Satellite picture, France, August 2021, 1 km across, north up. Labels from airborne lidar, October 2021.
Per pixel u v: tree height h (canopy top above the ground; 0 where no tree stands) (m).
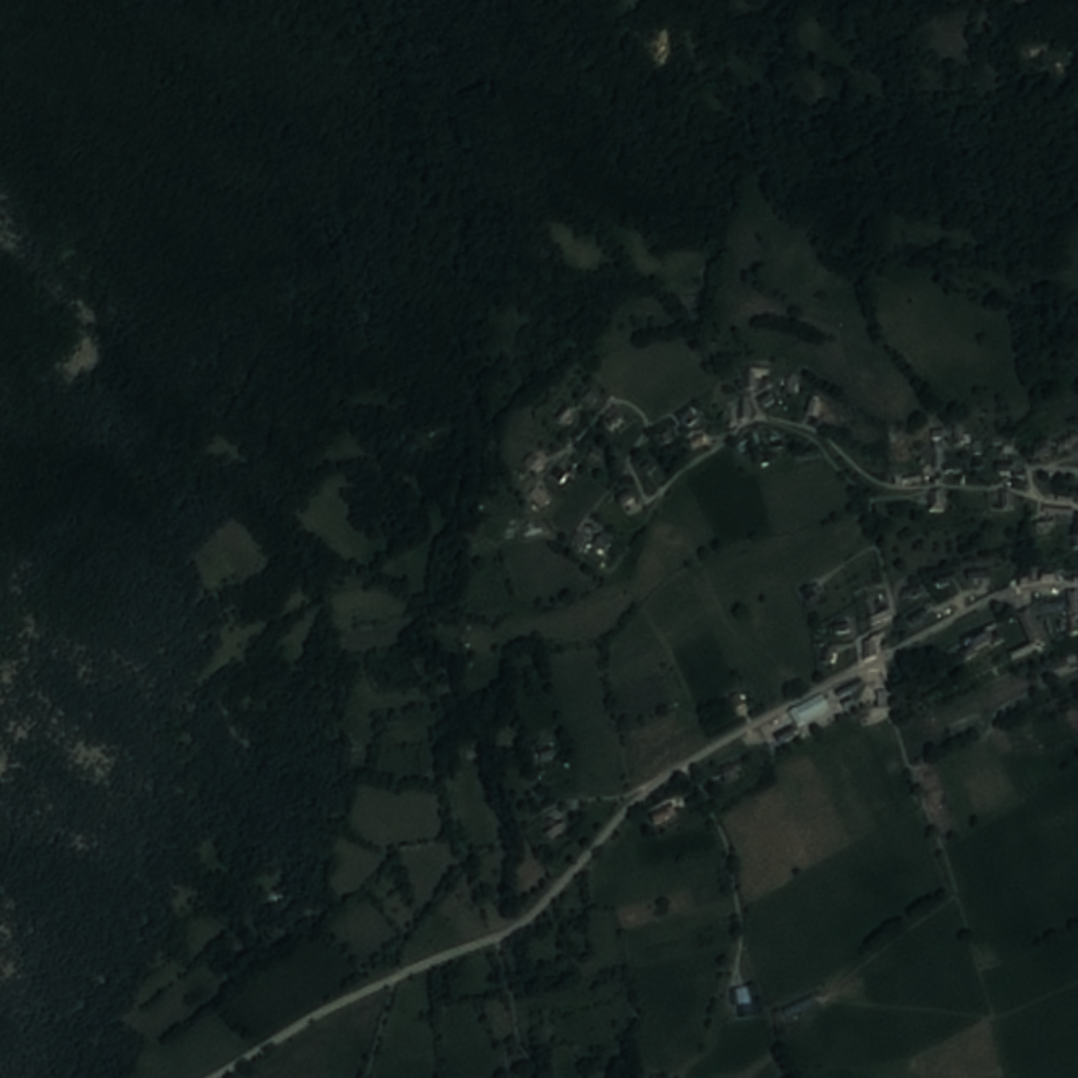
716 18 19
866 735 0
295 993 0
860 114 17
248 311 16
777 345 0
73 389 12
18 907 9
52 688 10
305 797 18
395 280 18
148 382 22
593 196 15
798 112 13
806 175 6
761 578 0
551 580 0
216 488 16
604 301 19
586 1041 0
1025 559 16
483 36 16
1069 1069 0
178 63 25
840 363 0
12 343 14
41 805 9
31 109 16
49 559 15
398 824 0
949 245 9
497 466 10
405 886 10
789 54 20
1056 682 12
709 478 0
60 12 18
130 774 12
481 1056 0
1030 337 22
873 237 16
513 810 21
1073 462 0
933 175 22
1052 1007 0
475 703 18
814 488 0
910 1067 0
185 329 17
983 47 13
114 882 15
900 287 0
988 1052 0
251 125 24
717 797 17
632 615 10
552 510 0
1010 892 0
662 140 26
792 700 12
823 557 0
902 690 19
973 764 0
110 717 14
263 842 16
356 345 21
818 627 11
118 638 14
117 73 17
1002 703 0
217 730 13
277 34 21
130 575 14
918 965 0
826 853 0
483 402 17
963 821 0
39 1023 9
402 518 12
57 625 13
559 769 0
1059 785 0
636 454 13
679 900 0
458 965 6
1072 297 7
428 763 0
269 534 17
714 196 25
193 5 20
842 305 0
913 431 8
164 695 10
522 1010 0
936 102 16
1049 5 17
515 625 0
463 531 12
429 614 14
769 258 0
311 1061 0
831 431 12
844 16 22
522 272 16
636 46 14
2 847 14
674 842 0
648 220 21
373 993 0
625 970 9
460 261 30
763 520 0
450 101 25
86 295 9
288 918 16
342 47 21
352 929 0
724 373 16
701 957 0
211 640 11
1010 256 18
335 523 0
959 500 8
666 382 0
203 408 15
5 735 7
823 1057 0
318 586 11
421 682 11
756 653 0
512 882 12
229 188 17
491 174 21
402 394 9
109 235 13
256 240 20
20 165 14
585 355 16
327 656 13
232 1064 0
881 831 0
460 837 11
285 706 12
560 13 11
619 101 17
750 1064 0
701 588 0
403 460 17
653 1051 0
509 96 14
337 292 13
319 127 22
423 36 19
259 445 10
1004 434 12
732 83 15
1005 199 17
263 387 12
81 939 16
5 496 14
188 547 20
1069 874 0
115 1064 19
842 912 0
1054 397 16
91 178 14
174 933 14
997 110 12
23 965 7
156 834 16
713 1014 8
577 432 6
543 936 16
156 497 20
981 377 0
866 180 9
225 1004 18
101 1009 16
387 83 21
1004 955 0
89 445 18
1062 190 17
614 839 7
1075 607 0
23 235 8
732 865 10
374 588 10
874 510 6
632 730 8
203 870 10
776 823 0
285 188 17
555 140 16
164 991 6
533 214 19
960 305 0
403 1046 0
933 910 14
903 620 12
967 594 0
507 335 0
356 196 23
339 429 11
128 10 18
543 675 11
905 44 18
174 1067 0
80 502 24
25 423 18
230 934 11
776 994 0
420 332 26
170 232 18
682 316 9
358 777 11
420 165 31
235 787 14
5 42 14
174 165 18
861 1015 0
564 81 18
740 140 11
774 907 0
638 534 9
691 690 0
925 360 0
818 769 0
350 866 0
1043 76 7
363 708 0
